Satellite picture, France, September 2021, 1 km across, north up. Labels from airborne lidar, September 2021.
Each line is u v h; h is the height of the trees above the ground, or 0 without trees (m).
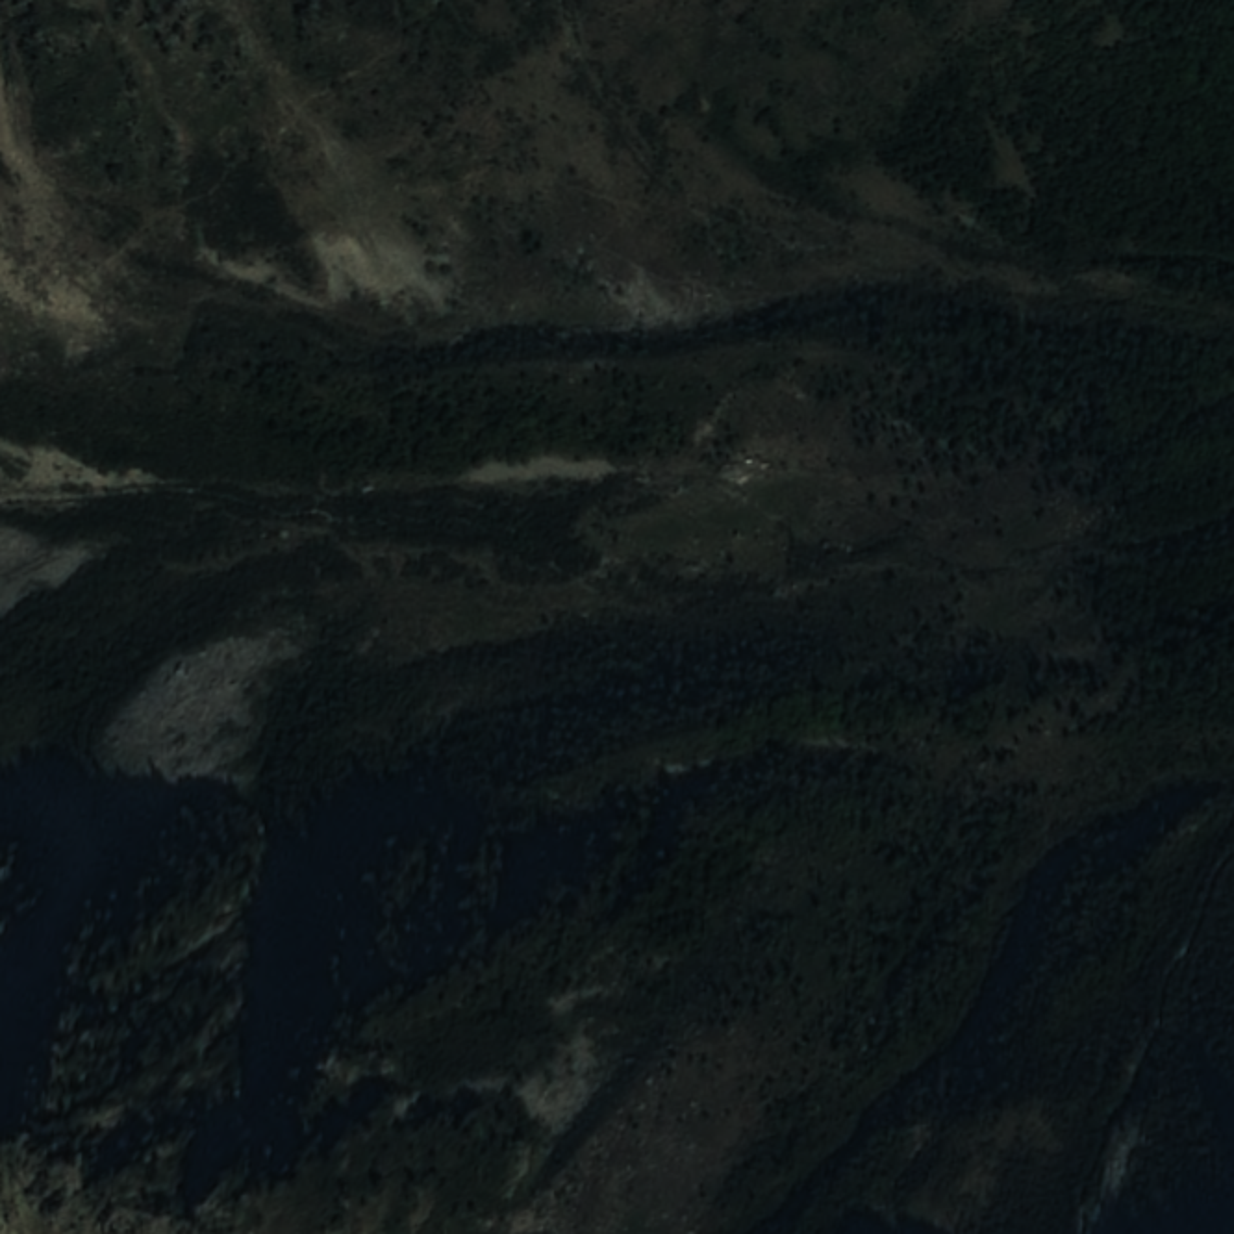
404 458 9
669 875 9
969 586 0
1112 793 9
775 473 0
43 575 0
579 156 0
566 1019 0
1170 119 14
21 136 0
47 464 0
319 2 9
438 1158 8
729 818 7
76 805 0
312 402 7
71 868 0
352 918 9
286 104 0
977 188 14
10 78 0
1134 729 11
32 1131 13
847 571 0
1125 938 11
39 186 0
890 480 0
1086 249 10
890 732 8
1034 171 10
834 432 0
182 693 0
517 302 0
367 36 0
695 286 0
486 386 6
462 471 7
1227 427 10
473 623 0
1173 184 12
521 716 8
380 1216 0
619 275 0
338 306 0
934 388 7
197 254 0
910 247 0
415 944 7
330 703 6
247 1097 0
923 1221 0
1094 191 12
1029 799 9
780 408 0
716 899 7
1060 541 0
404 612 0
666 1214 0
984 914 9
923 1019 11
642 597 0
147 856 10
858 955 7
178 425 8
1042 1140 0
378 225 0
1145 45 12
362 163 0
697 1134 0
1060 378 11
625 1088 0
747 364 0
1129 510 12
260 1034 0
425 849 8
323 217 0
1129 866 10
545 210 0
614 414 11
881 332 16
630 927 9
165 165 8
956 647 7
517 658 6
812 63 0
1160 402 13
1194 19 18
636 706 9
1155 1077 6
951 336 9
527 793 6
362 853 11
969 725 17
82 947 17
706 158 0
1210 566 10
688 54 0
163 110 0
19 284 0
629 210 0
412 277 0
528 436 8
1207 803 17
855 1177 6
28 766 0
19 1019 8
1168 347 10
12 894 7
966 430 9
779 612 0
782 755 13
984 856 7
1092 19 10
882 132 9
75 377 0
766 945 8
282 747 6
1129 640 6
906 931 9
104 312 0
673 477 0
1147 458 14
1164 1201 0
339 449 9
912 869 7
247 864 10
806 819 7
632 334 0
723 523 0
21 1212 0
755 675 6
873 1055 9
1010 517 0
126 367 0
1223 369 13
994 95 8
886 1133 8
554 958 12
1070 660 0
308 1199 0
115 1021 22
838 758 6
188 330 0
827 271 0
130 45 0
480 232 0
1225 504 12
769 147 0
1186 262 11
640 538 0
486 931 12
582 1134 0
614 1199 0
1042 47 10
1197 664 9
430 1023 7
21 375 0
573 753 8
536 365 0
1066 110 11
